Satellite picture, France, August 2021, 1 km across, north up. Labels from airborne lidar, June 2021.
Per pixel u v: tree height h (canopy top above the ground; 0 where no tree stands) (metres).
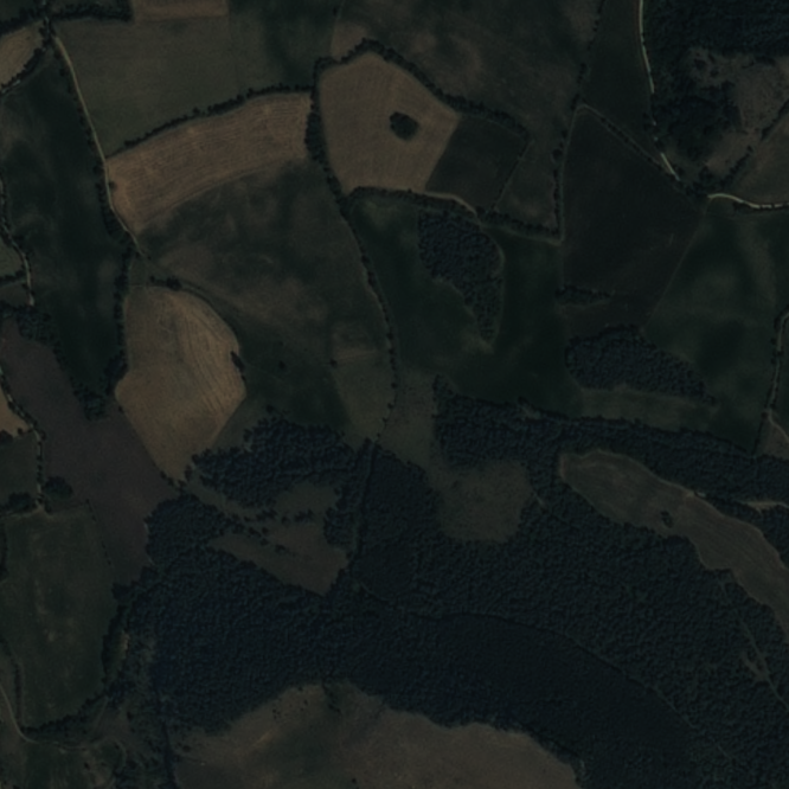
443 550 9
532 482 9
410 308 0
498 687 14
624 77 0
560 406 0
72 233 0
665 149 10
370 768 0
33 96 0
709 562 0
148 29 0
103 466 0
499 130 0
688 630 13
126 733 0
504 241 0
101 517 0
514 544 7
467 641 14
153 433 0
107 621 0
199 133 0
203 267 0
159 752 8
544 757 0
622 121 0
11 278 9
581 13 0
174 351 0
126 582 0
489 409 11
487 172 0
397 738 0
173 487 12
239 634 11
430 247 11
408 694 13
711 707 11
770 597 0
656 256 0
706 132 16
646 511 0
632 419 0
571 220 0
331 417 0
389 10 0
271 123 0
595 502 0
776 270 0
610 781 11
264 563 0
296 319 0
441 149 0
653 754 13
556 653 15
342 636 12
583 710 14
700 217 0
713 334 0
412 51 0
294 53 0
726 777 9
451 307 0
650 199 0
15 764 0
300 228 0
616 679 15
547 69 0
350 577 11
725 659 12
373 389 0
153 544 10
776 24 12
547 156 0
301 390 0
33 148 0
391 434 0
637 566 11
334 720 0
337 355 0
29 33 0
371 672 12
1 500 0
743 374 0
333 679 19
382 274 0
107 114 0
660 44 11
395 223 0
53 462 0
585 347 12
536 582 8
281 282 0
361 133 0
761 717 13
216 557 11
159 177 0
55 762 0
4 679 0
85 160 0
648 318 0
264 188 0
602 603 9
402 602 13
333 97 0
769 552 0
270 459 7
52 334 13
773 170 0
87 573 0
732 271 0
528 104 0
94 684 0
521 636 14
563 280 0
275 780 0
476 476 0
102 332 0
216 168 0
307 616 10
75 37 0
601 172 0
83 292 0
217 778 0
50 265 0
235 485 14
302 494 0
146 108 0
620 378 11
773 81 0
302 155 0
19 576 0
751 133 0
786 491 11
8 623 0
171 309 0
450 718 8
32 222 0
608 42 0
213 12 0
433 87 8
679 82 7
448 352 0
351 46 0
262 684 13
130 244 11
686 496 0
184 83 0
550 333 0
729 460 12
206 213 0
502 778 0
